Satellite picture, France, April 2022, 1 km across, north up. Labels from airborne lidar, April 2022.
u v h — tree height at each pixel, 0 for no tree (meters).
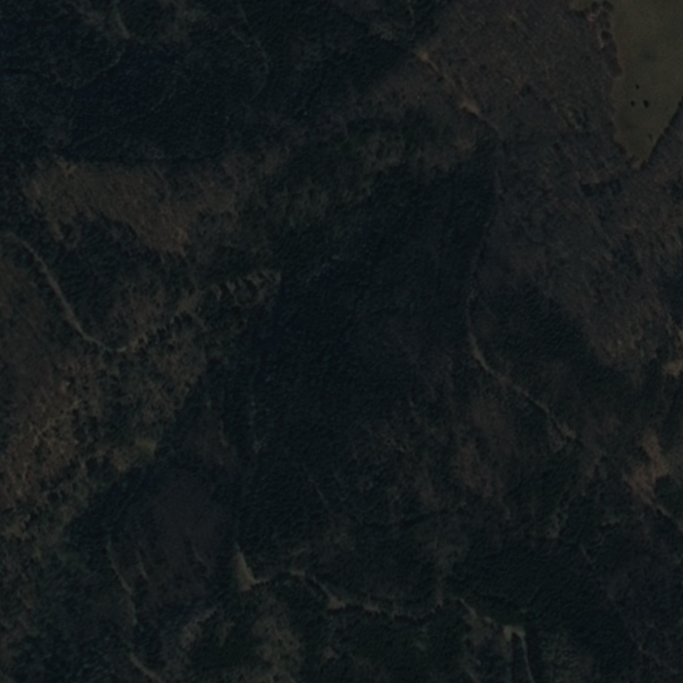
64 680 22
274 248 23
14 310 7
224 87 20
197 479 16
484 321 15
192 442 14
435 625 20
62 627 15
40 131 13
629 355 17
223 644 9
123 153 9
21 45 31
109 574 15
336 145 29
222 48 21
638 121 0
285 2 17
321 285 27
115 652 13
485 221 19
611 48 13
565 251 24
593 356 17
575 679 16
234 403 10
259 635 21
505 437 22
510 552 21
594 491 24
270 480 24
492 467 25
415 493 24
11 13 30
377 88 22
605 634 19
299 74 18
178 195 25
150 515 15
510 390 21
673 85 0
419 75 27
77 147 15
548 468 15
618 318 20
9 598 26
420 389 20
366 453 21
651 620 25
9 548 15
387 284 22
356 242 24
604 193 20
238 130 20
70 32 28
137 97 16
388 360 23
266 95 16
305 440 21
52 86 13
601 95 20
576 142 25
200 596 10
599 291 12
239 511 17
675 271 25
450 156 24
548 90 26
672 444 19
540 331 19
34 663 26
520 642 19
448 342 20
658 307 21
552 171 22
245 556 11
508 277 18
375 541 16
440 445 25
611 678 18
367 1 20
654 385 19
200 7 20
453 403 23
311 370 24
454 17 24
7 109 19
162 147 24
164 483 17
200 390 17
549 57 22
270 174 17
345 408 20
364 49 24
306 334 34
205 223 23
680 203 20
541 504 17
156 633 10
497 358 17
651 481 18
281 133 19
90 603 9
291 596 24
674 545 21
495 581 21
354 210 27
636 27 0
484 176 18
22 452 11
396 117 22
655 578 21
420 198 27
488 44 26
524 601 21
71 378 9
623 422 16
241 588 13
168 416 11
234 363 15
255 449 8
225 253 21
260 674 15
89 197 12
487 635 16
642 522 21
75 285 30
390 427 18
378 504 21
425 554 18
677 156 22
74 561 13
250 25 14
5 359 12
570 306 22
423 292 23
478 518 30
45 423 10
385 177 21
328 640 19
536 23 19
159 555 14
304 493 23
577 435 15
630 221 18
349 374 20
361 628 20
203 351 24
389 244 23
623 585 20
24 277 10
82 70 20
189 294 7
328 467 22
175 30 16
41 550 22
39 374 12
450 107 20
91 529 12
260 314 16
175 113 20
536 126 26
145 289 27
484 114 16
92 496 15
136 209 8
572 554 22
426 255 22
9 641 9
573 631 14
